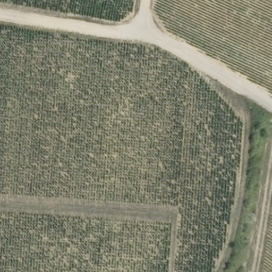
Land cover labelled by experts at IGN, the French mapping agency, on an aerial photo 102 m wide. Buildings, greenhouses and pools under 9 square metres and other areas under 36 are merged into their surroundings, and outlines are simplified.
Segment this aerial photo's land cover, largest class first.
<instances>
[{"label":"vineyard","instance_id":"1","mask_svg":"<svg viewBox=\"0 0 272 272\"><path fill-rule=\"evenodd\" d=\"M134 0H0V2L119 21L133 11ZM152 19L161 33L168 31L185 39L188 45L201 49V53L217 59L228 69L245 75L250 82L265 87L272 98V0H150ZM212 78L205 72L192 70L183 59L149 42L140 44L123 39L45 29L39 30L30 25L0 21V272H211L215 267L214 258L219 257L222 244L225 242L226 227L234 204L242 126L233 109L229 108L216 91L209 88L207 82ZM258 272H272V194Z\"/></svg>","mask_w":272,"mask_h":272},{"label":"herbaceous vegetation","instance_id":"2","mask_svg":"<svg viewBox=\"0 0 272 272\"><path fill-rule=\"evenodd\" d=\"M141 0H134L133 11L119 21L0 2V7L5 10L52 17L102 25L127 24L137 16ZM209 88L216 91L229 108L233 109L242 126L234 204L226 227L225 242L222 244L219 257L214 258L215 267L211 272H223L224 260L231 254L228 244L235 238L243 201L251 125L250 114L245 113L244 109L245 104L251 100L212 78L207 82ZM271 150L266 183L258 188L254 214L246 212L241 222L248 223L250 229L249 243L240 251L246 255L242 272H258L272 194V137L269 138Z\"/></svg>","mask_w":272,"mask_h":272},{"label":"impervious surface","instance_id":"3","mask_svg":"<svg viewBox=\"0 0 272 272\"><path fill-rule=\"evenodd\" d=\"M150 0H141L137 16L127 24L102 25L52 17L45 25V29L123 39L140 44L149 42L183 59L192 70L205 72L212 78L251 100L272 113V98L265 87L250 82L245 75L228 69L217 59L201 53V49L188 45L185 39L168 31L161 33L152 19Z\"/></svg>","mask_w":272,"mask_h":272},{"label":"brushwood","instance_id":"4","mask_svg":"<svg viewBox=\"0 0 272 272\"><path fill-rule=\"evenodd\" d=\"M245 113L250 114L251 125L243 201L235 238L228 244L231 254L224 260L223 272H242L246 255L240 251L249 243L250 229L248 223L241 222L246 212L254 214L258 188L266 183L271 150L269 138L272 137V113L251 100L245 104L244 109Z\"/></svg>","mask_w":272,"mask_h":272},{"label":"pervious surface","instance_id":"5","mask_svg":"<svg viewBox=\"0 0 272 272\"><path fill-rule=\"evenodd\" d=\"M52 17L5 10L0 7V21L30 25L39 30L45 29V25Z\"/></svg>","mask_w":272,"mask_h":272}]
</instances>
